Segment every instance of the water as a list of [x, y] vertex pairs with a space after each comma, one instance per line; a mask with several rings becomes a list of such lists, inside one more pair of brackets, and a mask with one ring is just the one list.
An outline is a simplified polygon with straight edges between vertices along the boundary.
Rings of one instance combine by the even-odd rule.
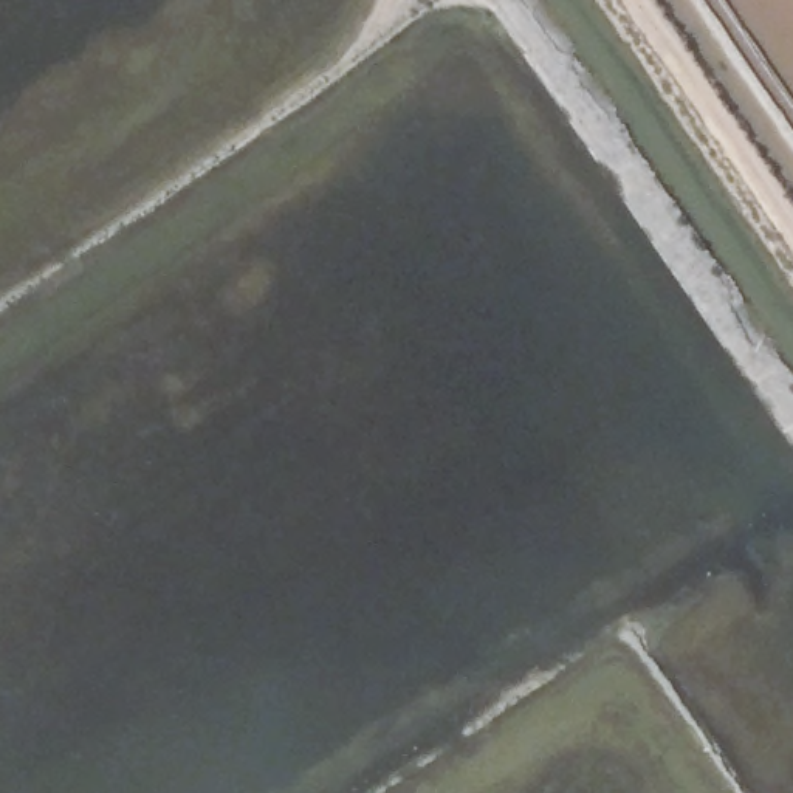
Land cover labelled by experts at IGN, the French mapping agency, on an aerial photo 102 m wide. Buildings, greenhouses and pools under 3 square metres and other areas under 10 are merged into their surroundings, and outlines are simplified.
[[638, 65], [635, 53], [620, 40], [610, 19], [601, 12], [595, 0], [536, 0], [542, 19], [567, 37], [570, 56], [585, 68], [585, 74], [579, 77], [582, 90], [613, 105], [632, 152], [638, 152], [638, 158], [651, 167], [657, 186], [675, 204], [678, 223], [688, 226], [694, 245], [709, 254], [712, 273], [731, 279], [743, 300], [750, 325], [765, 338], [781, 366], [793, 375], [793, 285], [778, 269], [768, 248], [743, 220], [722, 180], [712, 173], [700, 149], [688, 139], [672, 108], [660, 99], [657, 87]]
[[737, 127], [743, 130], [743, 136], [759, 152], [759, 158], [765, 161], [765, 167], [793, 204], [793, 155], [781, 142], [765, 112], [750, 96], [750, 90], [740, 84], [734, 68], [725, 62], [719, 43], [700, 25], [688, 0], [654, 0], [663, 19], [672, 25], [672, 31], [694, 56], [697, 68], [703, 71], [728, 115], [737, 121]]
[[[706, 737], [719, 747], [722, 759], [737, 774], [747, 793], [793, 793], [793, 443], [778, 427], [771, 409], [756, 393], [753, 381], [737, 369], [734, 356], [719, 344], [706, 319], [697, 313], [694, 300], [685, 294], [672, 269], [651, 245], [647, 232], [629, 214], [620, 192], [620, 180], [589, 155], [585, 142], [570, 127], [567, 112], [542, 87], [517, 43], [499, 25], [499, 19], [489, 9], [449, 6], [446, 0], [412, 0], [412, 22], [403, 31], [397, 31], [384, 46], [369, 53], [359, 65], [353, 65], [341, 81], [325, 87], [316, 99], [282, 118], [266, 133], [260, 133], [251, 146], [239, 149], [223, 164], [211, 167], [204, 177], [180, 189], [164, 204], [158, 204], [152, 214], [124, 226], [115, 239], [108, 239], [105, 245], [93, 248], [77, 260], [71, 254], [74, 245], [90, 239], [105, 223], [112, 223], [118, 214], [139, 204], [149, 192], [155, 192], [164, 180], [173, 180], [192, 161], [204, 158], [211, 149], [220, 146], [220, 139], [235, 136], [273, 102], [279, 102], [288, 90], [294, 90], [304, 77], [328, 68], [359, 34], [375, 0], [0, 0], [0, 294], [19, 285], [22, 279], [34, 276], [46, 263], [59, 263], [62, 269], [56, 279], [34, 288], [31, 294], [25, 294], [0, 313], [0, 793], [728, 793], [728, 787], [722, 784], [703, 750], [694, 743], [694, 737], [688, 734], [685, 722], [675, 716], [657, 681], [638, 663], [632, 647], [620, 641], [623, 620], [644, 626], [644, 644], [651, 657], [672, 681], [675, 694], [700, 722]], [[502, 697], [502, 691], [508, 691], [511, 685], [524, 681], [530, 672], [539, 669], [548, 669], [554, 681], [520, 697], [483, 731], [471, 737], [462, 734], [462, 728], [471, 719], [477, 719], [486, 706], [493, 706]]]
[[793, 81], [793, 0], [737, 0], [747, 19], [768, 43], [768, 50], [774, 53], [774, 59], [781, 62], [781, 68], [787, 71], [787, 77]]

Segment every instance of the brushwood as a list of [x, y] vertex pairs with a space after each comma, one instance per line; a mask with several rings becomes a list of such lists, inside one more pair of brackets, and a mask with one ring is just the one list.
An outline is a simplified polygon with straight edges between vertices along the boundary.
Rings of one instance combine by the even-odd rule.
[[793, 254], [787, 248], [787, 239], [768, 223], [768, 217], [762, 217], [753, 192], [743, 186], [719, 142], [706, 133], [697, 108], [669, 77], [663, 59], [635, 28], [623, 0], [595, 0], [601, 12], [610, 19], [620, 40], [635, 53], [638, 65], [657, 87], [660, 99], [672, 108], [688, 139], [700, 149], [712, 173], [722, 180], [743, 220], [768, 248], [778, 269], [793, 285]]

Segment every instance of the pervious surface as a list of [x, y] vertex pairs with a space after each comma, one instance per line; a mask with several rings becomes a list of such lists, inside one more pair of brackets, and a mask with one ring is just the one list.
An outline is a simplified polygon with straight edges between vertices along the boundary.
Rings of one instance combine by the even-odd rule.
[[539, 669], [530, 672], [524, 681], [511, 685], [508, 691], [502, 691], [502, 697], [493, 706], [486, 706], [477, 719], [471, 719], [462, 728], [462, 734], [471, 737], [483, 731], [520, 697], [554, 681], [548, 669]]
[[288, 90], [279, 102], [273, 102], [235, 136], [220, 139], [220, 146], [211, 149], [204, 158], [192, 161], [173, 180], [164, 180], [155, 192], [149, 192], [139, 204], [118, 214], [112, 223], [105, 223], [90, 239], [74, 245], [71, 254], [77, 260], [93, 248], [105, 245], [108, 239], [115, 239], [124, 226], [152, 214], [158, 204], [164, 204], [180, 189], [204, 177], [211, 167], [223, 164], [239, 149], [251, 146], [260, 133], [266, 133], [282, 118], [316, 99], [325, 87], [341, 81], [353, 65], [359, 65], [369, 53], [384, 46], [397, 31], [403, 31], [412, 22], [412, 0], [375, 0], [359, 34], [328, 68], [304, 77], [294, 90]]
[[768, 43], [747, 19], [737, 0], [688, 0], [700, 25], [719, 43], [725, 62], [734, 68], [740, 84], [750, 90], [750, 96], [765, 112], [781, 142], [793, 155], [793, 81], [787, 77], [787, 71], [781, 68], [781, 62], [774, 59], [774, 53], [768, 50]]
[[694, 56], [672, 31], [672, 25], [663, 19], [654, 0], [623, 0], [635, 28], [663, 59], [669, 77], [697, 108], [706, 133], [719, 142], [743, 186], [753, 192], [762, 217], [768, 217], [768, 223], [787, 239], [787, 248], [793, 254], [793, 204], [765, 167], [765, 161], [759, 158], [759, 152], [743, 136], [743, 130], [737, 127], [737, 121], [728, 115], [703, 71], [697, 68]]
[[694, 300], [697, 313], [706, 319], [719, 344], [734, 356], [737, 369], [753, 381], [756, 393], [771, 409], [778, 427], [793, 443], [793, 375], [781, 366], [765, 338], [750, 325], [743, 300], [731, 279], [712, 273], [709, 254], [694, 245], [688, 226], [678, 223], [675, 204], [657, 186], [651, 167], [638, 158], [638, 152], [632, 152], [613, 105], [582, 90], [579, 77], [585, 74], [585, 68], [570, 56], [567, 37], [542, 19], [536, 0], [446, 0], [449, 6], [489, 9], [499, 19], [499, 25], [517, 43], [542, 87], [567, 112], [570, 127], [585, 142], [589, 155], [620, 180], [620, 192], [629, 214], [647, 232], [651, 245], [672, 269], [685, 294]]
[[59, 263], [46, 263], [34, 276], [22, 279], [19, 285], [0, 294], [0, 313], [25, 294], [31, 294], [34, 288], [56, 279], [62, 269]]
[[694, 737], [694, 743], [703, 750], [722, 784], [728, 787], [728, 793], [747, 793], [737, 774], [722, 759], [719, 747], [706, 737], [700, 722], [675, 694], [672, 681], [651, 657], [644, 644], [644, 626], [623, 620], [620, 641], [632, 647], [638, 663], [657, 681], [675, 716], [685, 722], [688, 734]]

